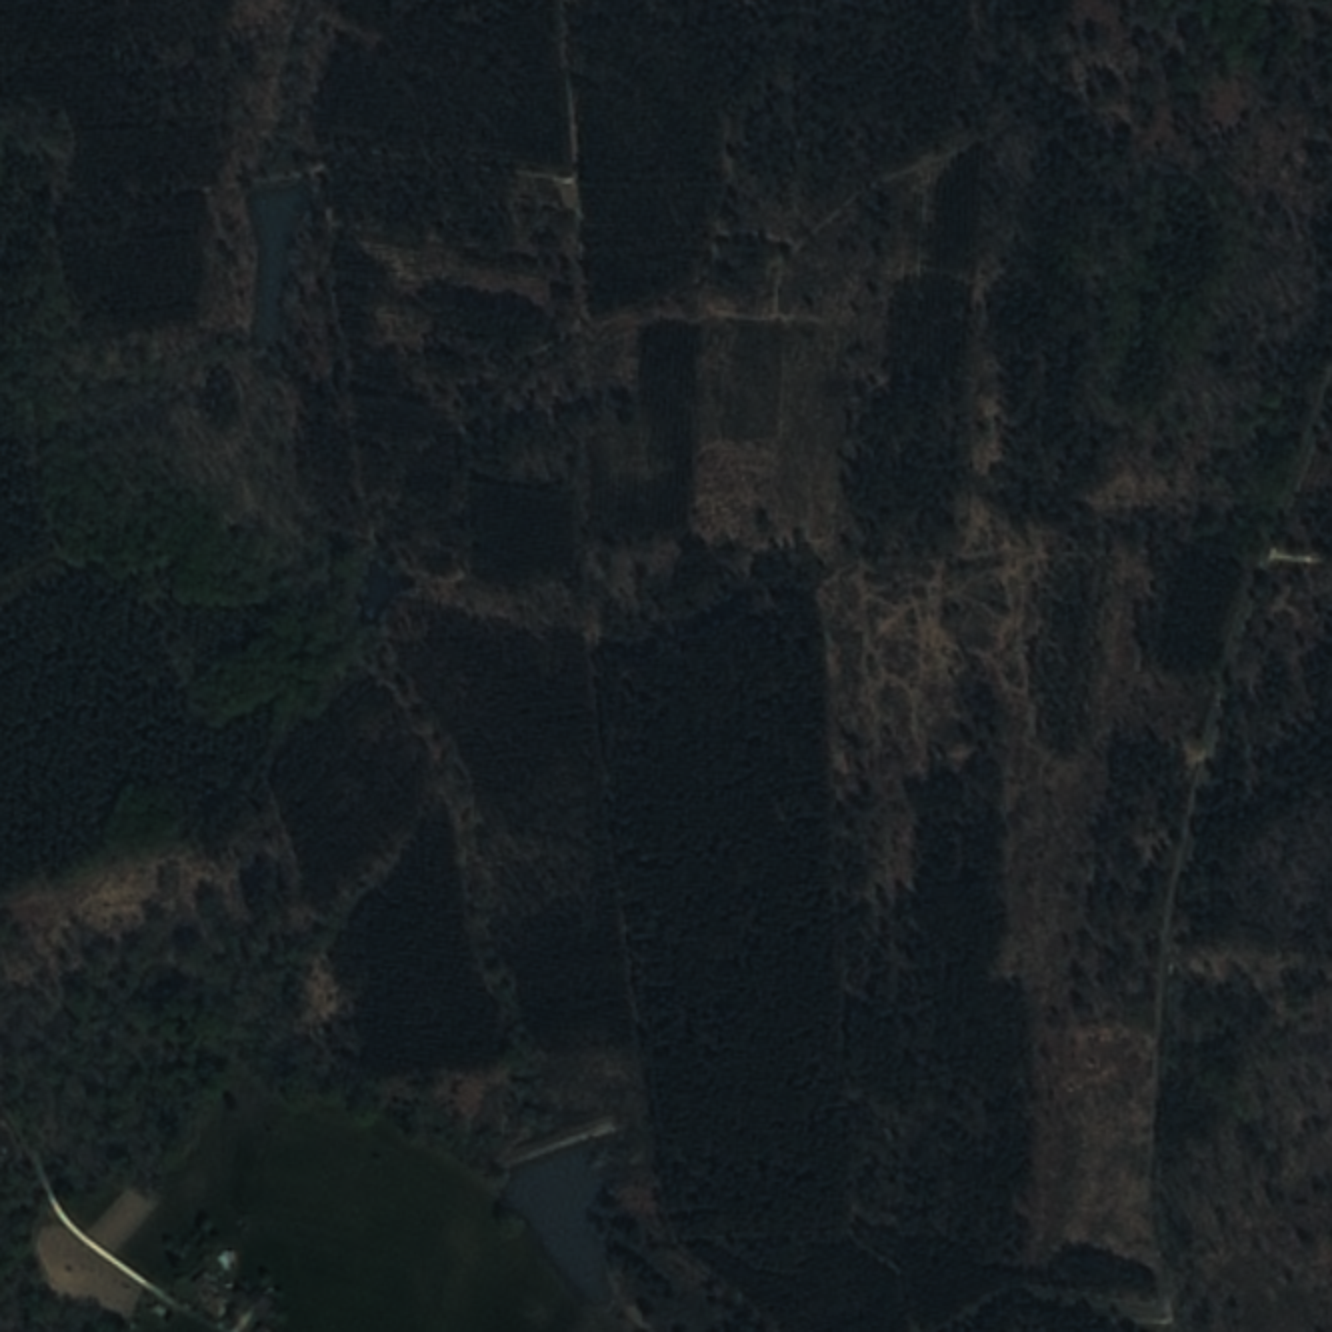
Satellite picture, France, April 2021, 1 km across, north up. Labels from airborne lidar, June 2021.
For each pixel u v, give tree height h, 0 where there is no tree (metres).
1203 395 14
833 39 18
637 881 17
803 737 17
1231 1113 13
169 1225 0
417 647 12
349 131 11
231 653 21
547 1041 13
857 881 14
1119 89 19
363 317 10
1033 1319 14
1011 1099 13
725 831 19
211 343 16
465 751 11
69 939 11
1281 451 16
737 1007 19
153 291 11
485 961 8
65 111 14
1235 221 18
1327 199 16
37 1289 10
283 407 19
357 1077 11
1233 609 15
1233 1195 13
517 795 10
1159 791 14
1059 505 17
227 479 20
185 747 16
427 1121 10
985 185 7
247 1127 0
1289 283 12
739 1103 18
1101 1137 0
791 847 20
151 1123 16
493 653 13
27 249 18
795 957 18
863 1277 11
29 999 14
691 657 18
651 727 16
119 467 19
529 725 13
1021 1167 12
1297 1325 0
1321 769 17
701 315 11
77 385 22
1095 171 11
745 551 7
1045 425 16
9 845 16
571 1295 0
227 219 14
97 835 18
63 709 14
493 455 16
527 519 13
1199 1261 11
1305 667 7
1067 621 15
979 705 14
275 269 0
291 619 26
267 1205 0
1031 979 6
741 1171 16
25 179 18
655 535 6
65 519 21
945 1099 14
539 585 7
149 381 13
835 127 14
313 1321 0
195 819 17
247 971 9
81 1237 0
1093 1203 0
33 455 15
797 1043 19
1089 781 8
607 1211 12
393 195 18
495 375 7
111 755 16
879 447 13
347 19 12
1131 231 17
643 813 18
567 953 12
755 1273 13
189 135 14
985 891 16
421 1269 0
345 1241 0
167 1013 24
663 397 6
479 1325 0
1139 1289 13
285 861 12
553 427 13
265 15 15
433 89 16
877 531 13
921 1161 14
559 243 11
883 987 14
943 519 13
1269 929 16
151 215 15
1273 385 11
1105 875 14
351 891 14
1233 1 17
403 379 9
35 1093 13
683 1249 9
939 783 14
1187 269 18
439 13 12
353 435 11
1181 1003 8
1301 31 10
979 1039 17
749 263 10
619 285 16
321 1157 0
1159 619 16
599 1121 0
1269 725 6
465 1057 13
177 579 13
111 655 13
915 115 19
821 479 0
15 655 16
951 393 20
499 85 13
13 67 14
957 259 6
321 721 18
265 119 12
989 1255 16
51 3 14
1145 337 13
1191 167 8
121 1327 17
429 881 14
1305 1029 7
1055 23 15
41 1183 17
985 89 11
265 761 17
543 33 9
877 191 12
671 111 16
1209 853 15
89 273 14
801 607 15
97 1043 10
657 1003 17
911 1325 10
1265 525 16
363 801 12
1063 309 15
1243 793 14
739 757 16
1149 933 12
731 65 17
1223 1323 13
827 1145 17
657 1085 13
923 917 14
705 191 15
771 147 19
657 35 18
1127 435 6
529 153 14
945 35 18
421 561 10
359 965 11
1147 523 7
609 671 14
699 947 17
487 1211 0
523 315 20
